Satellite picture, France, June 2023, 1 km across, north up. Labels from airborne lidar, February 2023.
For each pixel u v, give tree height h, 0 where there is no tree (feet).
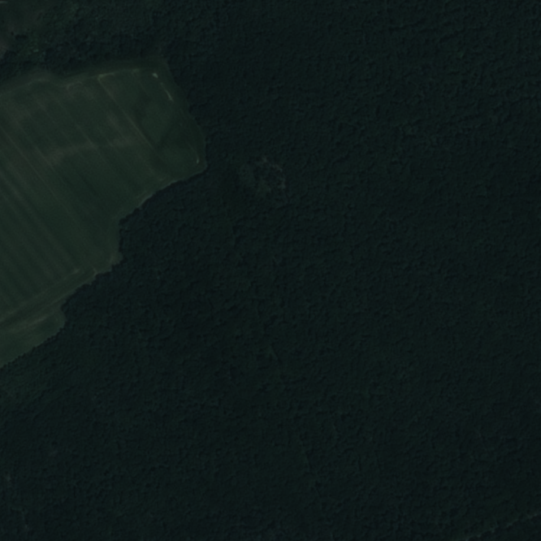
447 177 84
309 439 75
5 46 0
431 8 70
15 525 73
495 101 65
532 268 73
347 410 62
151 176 0
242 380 97
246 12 79
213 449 79
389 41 81
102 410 69
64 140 0
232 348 90
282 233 65
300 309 73
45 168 0
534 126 76
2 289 0
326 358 72
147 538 78
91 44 41
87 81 0
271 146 65
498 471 73
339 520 88
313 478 79
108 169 0
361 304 79
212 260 77
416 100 66
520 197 82
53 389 40
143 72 0
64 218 0
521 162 78
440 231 73
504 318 75
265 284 74
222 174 33
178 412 72
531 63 61
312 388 73
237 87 66
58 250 0
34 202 0
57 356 42
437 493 74
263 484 70
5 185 0
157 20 74
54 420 69
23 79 0
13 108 0
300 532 87
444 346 75
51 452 89
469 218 74
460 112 75
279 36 73
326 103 67
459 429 76
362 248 86
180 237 85
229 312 87
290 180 58
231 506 71
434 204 65
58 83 0
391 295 70
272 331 88
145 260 85
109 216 0
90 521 79
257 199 19
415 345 78
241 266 80
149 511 75
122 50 56
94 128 0
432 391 76
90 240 0
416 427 82
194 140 0
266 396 88
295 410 79
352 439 75
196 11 71
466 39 72
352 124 59
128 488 78
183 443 82
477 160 79
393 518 82
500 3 57
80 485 77
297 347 73
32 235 0
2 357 0
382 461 76
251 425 74
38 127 0
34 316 0
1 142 0
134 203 0
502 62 63
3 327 0
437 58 80
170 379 84
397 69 69
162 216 69
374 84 70
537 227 85
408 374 75
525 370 83
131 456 76
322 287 73
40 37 21
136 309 76
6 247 0
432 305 74
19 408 34
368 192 73
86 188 0
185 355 76
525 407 82
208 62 51
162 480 85
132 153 0
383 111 73
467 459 75
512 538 73
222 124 55
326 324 69
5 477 57
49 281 0
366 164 64
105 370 66
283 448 70
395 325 81
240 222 55
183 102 0
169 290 78
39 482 79
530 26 74
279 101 64
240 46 67
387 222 80
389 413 72
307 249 74
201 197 79
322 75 67
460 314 79
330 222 73
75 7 18
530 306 76
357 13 66
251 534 91
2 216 0
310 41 77
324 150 69
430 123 70
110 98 0
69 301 48
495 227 77
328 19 76
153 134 0
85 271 0
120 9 19
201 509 62
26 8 0
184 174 0
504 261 76
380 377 80
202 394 82
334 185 68
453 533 69
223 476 74
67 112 0
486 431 64
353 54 68
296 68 64
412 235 68
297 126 60
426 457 79
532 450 83
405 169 80
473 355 70
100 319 61
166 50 25
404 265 78
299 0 69
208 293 73
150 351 81
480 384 68
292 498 76
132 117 0
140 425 71
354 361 73
